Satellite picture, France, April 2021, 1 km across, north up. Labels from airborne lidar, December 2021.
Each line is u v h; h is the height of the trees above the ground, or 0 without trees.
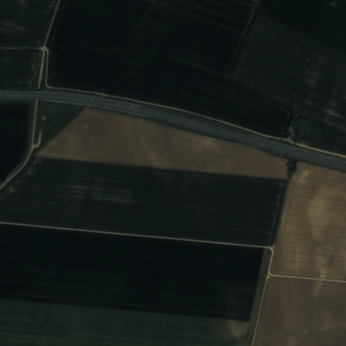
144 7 0
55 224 0
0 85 0
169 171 0
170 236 0
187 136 0
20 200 0
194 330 0
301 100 0
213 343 0
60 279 0
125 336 0
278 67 0
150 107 0
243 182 0
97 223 0
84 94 0
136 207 0
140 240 0
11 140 0
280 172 0
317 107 0
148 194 0
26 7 0
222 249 0
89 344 0
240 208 0
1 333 0
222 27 0
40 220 0
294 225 0
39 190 0
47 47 0
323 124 0
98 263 0
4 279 0
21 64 0
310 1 0
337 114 0
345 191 0
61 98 0
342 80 0
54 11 0
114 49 0
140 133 0
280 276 0
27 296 0
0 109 0
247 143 0
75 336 0
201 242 0
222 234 0
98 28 0
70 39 0
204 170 0
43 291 0
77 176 0
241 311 0
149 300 0
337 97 0
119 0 0
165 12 0
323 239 0
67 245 0
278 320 0
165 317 0
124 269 0
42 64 0
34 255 0
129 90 0
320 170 0
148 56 0
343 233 0
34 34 0
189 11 0
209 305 0
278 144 0
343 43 0
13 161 0
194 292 0
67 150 0
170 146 0
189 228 0
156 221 0
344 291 0
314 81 0
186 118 0
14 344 0
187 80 0
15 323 0
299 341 0
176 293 0
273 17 0
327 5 0
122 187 0
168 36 0
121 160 0
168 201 0
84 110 0
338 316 0
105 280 0
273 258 0
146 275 0
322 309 0
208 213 0
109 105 0
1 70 0
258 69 0
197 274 0
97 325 0
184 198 0
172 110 0
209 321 0
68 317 0
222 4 0
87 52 0
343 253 0
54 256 0
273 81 0
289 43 0
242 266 0
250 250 0
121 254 0
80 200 0
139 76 0
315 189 0
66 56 0
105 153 0
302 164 0
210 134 0
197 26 0
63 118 0
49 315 0
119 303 0
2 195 0
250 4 0
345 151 0
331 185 0
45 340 0
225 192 0
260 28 0
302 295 0
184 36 0
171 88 0
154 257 0
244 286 0
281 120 0
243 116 0
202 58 0
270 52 0
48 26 0
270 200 0
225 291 0
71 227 0
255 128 0
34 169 0
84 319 0
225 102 0
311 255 0
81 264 0
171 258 0
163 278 0
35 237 0
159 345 0
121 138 0
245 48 0
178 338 0
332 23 0
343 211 0
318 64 0
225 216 0
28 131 0
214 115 0
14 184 0
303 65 0
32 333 0
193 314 0
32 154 0
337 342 0
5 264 0
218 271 0
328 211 0
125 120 0
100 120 0
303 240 0
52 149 0
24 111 0
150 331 0
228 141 0
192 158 0
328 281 0
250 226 0
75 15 0
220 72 0
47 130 0
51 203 0
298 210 0
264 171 0
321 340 0
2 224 0
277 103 0
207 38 0
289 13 0
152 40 0
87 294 0
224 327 0
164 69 0
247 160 0
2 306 0
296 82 0
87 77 0
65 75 0
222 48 0
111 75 0
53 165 0
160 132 0
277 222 0
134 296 0
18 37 0
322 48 0
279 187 0
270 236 0
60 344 0
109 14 0
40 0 0
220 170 0
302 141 16
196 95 0
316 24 0
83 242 0
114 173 0
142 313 0
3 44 0
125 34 0
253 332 0
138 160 0
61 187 0
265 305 0
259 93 0
